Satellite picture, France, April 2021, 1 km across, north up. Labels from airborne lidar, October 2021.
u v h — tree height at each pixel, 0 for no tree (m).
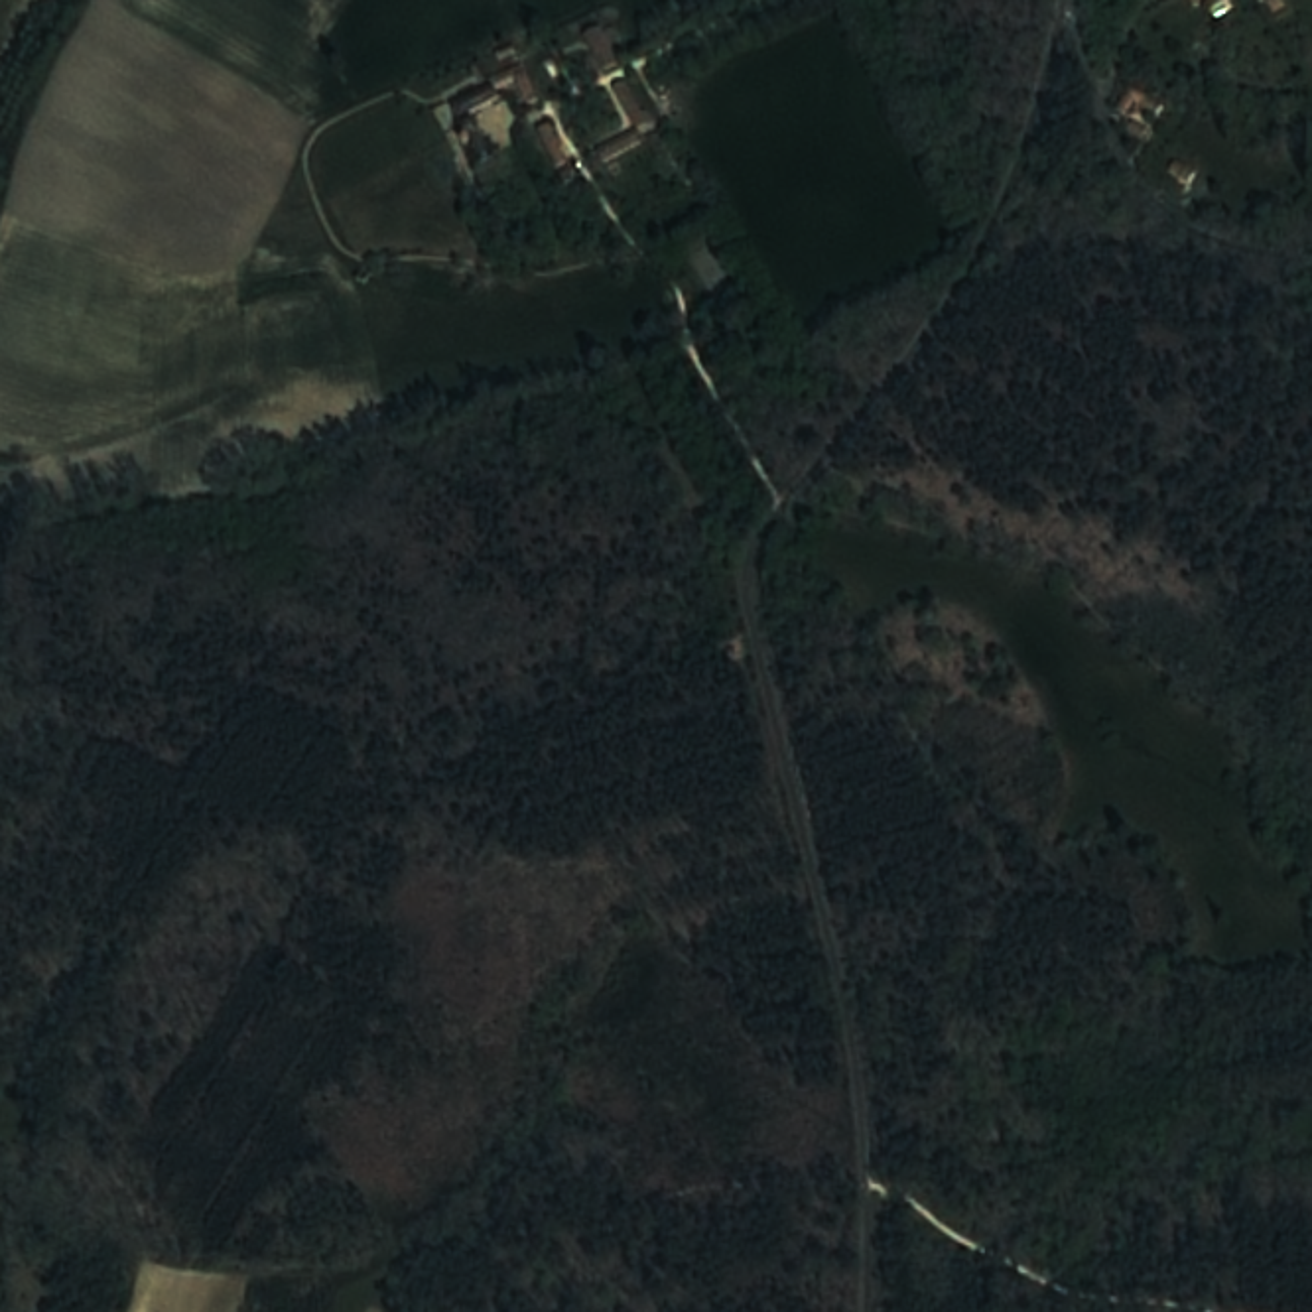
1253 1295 18
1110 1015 12
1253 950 0
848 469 21
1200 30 14
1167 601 19
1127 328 22
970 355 21
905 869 20
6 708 20
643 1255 7
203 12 0
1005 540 21
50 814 14
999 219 13
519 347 0
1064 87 32
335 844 16
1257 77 9
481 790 13
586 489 6
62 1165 19
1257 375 31
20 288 0
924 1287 8
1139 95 18
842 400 21
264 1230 7
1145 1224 15
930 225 10
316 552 8
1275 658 22
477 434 12
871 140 26
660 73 8
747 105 0
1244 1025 19
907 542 9
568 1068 13
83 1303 22
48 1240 25
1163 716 0
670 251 17
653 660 14
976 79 23
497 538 8
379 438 22
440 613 10
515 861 16
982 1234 10
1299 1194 21
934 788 16
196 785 19
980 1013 16
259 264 0
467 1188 7
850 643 12
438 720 10
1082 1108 13
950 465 18
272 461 27
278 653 8
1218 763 0
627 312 0
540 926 0
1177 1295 12
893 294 22
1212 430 22
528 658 8
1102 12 25
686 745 21
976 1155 16
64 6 16
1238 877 0
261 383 0
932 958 17
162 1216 16
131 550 11
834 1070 18
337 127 0
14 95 23
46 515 25
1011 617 0
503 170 24
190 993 10
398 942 8
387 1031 6
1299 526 22
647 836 16
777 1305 12
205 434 0
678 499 19
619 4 0
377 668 11
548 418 9
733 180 0
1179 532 17
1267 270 21
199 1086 9
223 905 18
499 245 24
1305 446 25
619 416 12
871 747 17
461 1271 25
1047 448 17
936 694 7
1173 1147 13
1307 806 23
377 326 0
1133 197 21
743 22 19
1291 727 15
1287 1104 12
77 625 10
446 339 0
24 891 25
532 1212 13
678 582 10
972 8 18
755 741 18
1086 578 18
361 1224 28
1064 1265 17
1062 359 19
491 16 0
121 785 19
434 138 0
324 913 11
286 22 0
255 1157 6
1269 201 14
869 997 14
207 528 12
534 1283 13
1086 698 0
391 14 0
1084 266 32
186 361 0
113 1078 26
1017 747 6
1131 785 0
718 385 15
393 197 0
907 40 26
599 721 19
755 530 25
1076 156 34
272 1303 6
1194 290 26
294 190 0
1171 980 14
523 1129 20
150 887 21
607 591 10
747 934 17
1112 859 16
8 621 23
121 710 12
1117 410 15
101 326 0
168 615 10
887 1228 15
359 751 6
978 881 11
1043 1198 11
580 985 19
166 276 0
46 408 0
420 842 10
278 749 17
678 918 20
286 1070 7
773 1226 26
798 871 15
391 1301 17
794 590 16
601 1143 8
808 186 0
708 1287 26
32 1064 21
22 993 29
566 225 23
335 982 9
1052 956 16
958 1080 10
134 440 0
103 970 26
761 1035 19
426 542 9
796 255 0
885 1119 19
